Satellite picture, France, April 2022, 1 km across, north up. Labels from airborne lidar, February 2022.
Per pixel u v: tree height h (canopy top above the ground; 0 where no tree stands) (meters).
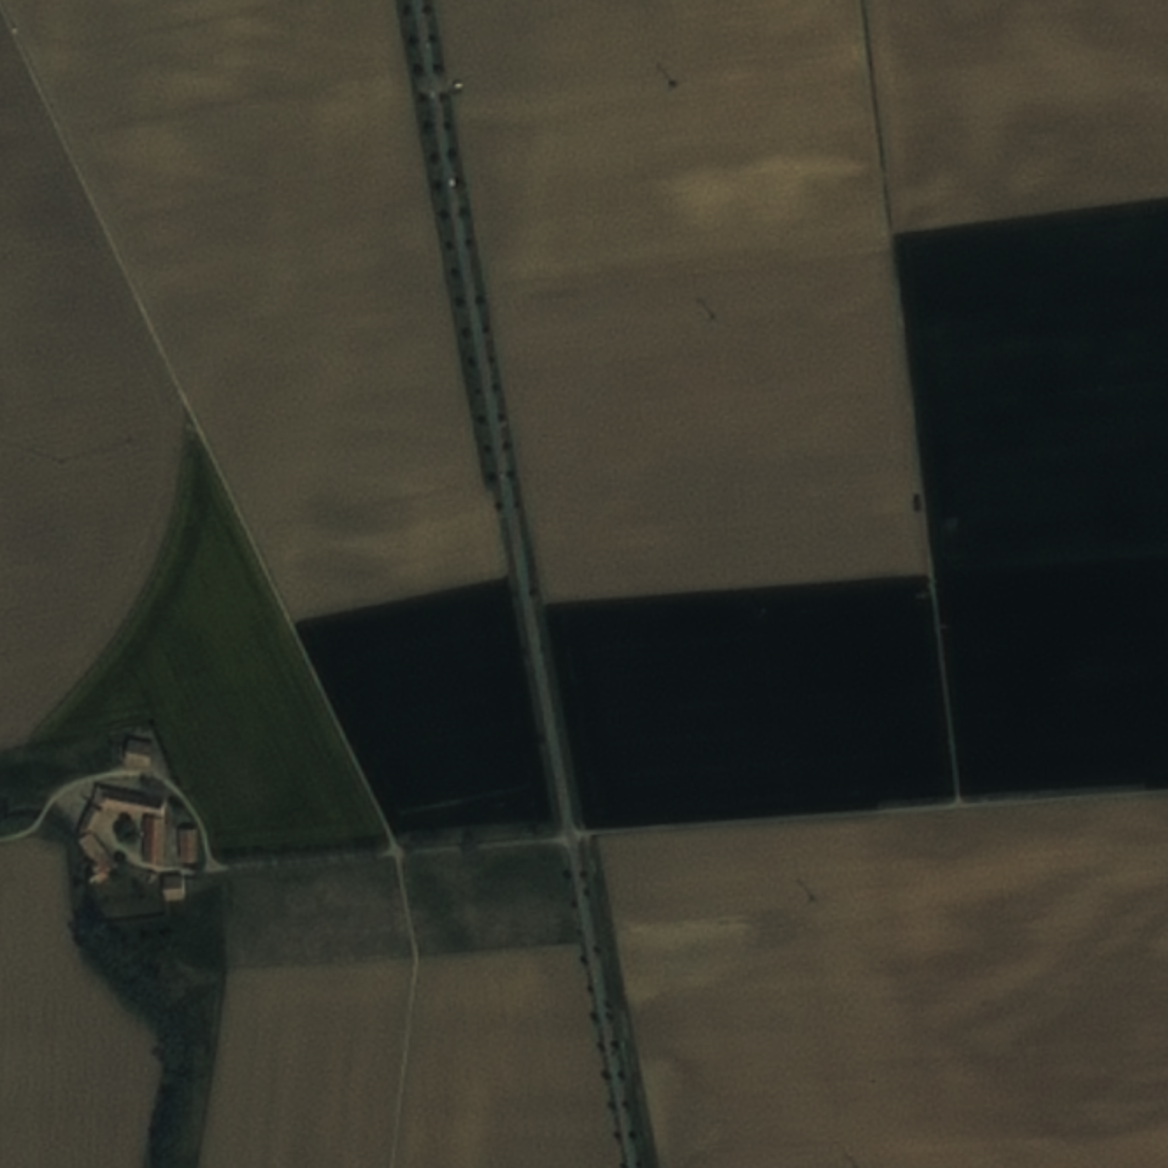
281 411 0
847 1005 0
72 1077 0
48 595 0
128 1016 0
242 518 0
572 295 0
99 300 0
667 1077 0
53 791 0
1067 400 0
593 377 0
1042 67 0
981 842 0
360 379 0
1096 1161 0
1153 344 0
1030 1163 0
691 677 0
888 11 0
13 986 0
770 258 0
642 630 0
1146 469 0
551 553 0
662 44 0
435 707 0
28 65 0
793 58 0
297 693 0
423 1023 0
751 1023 0
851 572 0
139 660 0
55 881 0
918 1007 0
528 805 0
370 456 0
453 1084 0
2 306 0
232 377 0
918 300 0
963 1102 0
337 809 0
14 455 0
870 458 0
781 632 0
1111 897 0
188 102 0
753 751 0
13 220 0
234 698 0
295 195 0
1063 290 0
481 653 0
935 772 0
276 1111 0
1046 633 0
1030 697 0
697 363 0
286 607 0
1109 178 0
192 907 0
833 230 0
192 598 0
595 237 0
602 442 0
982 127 0
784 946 0
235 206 0
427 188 0
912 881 0
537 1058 0
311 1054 0
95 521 0
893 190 0
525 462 0
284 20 0
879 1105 0
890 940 0
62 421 0
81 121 0
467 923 0
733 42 0
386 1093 0
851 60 0
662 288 0
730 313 0
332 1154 0
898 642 0
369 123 0
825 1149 0
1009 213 0
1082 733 0
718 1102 0
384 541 0
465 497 0
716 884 0
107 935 30
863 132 0
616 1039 0
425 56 0
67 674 0
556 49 0
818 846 0
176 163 0
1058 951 0
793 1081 0
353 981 0
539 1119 0
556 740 0
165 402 0
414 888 0
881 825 0
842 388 0
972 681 0
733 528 0
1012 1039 0
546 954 0
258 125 0
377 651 0
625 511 0
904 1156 0
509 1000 0
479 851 14
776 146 0
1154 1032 0
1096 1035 0
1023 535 0
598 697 0
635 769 0
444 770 0
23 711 0
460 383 0
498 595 0
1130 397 0
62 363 0
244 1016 0
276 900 0
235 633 0
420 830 0
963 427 0
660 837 0
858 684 0
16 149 0
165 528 0
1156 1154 0
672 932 0
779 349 0
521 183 0
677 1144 0
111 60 0
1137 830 0
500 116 0
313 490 0
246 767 0
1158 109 0
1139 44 0
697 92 0
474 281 0
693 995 0
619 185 0
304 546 0
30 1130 0
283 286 0
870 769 0
